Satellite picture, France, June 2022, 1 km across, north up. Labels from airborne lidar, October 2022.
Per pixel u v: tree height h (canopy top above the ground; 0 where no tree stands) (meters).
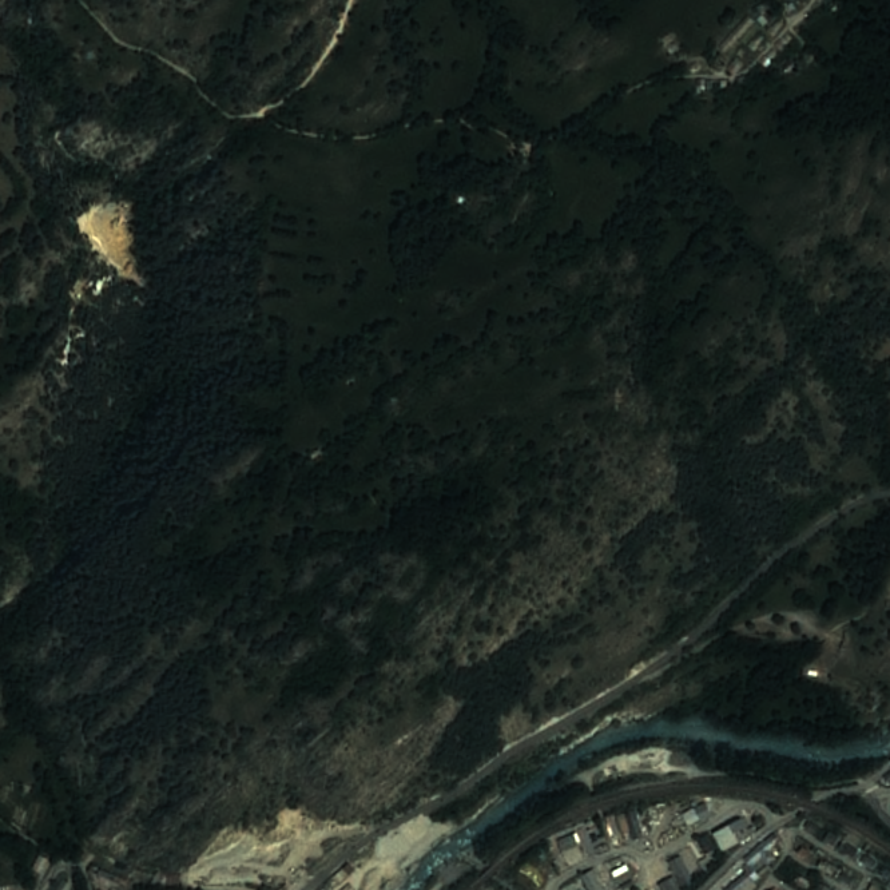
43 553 19
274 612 7
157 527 9
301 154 0
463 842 0
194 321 16
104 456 24
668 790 0
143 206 19
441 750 13
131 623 11
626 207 16
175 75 8
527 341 5
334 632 9
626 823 0
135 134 29
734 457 14
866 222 8
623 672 0
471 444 6
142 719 15
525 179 8
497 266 0
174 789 14
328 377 13
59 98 15
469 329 0
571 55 0
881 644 7
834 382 10
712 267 22
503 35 12
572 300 8
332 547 8
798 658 22
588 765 9
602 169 0
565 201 0
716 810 0
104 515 14
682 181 15
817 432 14
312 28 16
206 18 0
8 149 0
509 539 10
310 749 7
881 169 0
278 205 8
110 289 10
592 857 0
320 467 10
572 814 0
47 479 6
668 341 14
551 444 0
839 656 0
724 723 18
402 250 13
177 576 16
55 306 11
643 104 0
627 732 0
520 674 19
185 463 17
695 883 11
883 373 16
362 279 18
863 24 23
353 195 0
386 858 0
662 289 16
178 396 17
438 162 17
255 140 9
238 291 15
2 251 11
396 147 0
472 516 9
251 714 0
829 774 14
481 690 16
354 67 0
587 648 0
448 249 16
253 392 9
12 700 22
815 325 15
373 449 0
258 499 10
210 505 9
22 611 19
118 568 15
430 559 10
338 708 10
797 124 25
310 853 0
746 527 23
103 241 0
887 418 13
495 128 10
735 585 7
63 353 15
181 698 15
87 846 0
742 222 13
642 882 0
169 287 20
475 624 9
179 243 14
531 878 0
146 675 14
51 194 12
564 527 9
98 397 15
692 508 15
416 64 11
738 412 17
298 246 0
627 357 7
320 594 15
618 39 0
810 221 0
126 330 15
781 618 12
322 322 0
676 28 0
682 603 10
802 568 13
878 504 10
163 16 9
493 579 11
